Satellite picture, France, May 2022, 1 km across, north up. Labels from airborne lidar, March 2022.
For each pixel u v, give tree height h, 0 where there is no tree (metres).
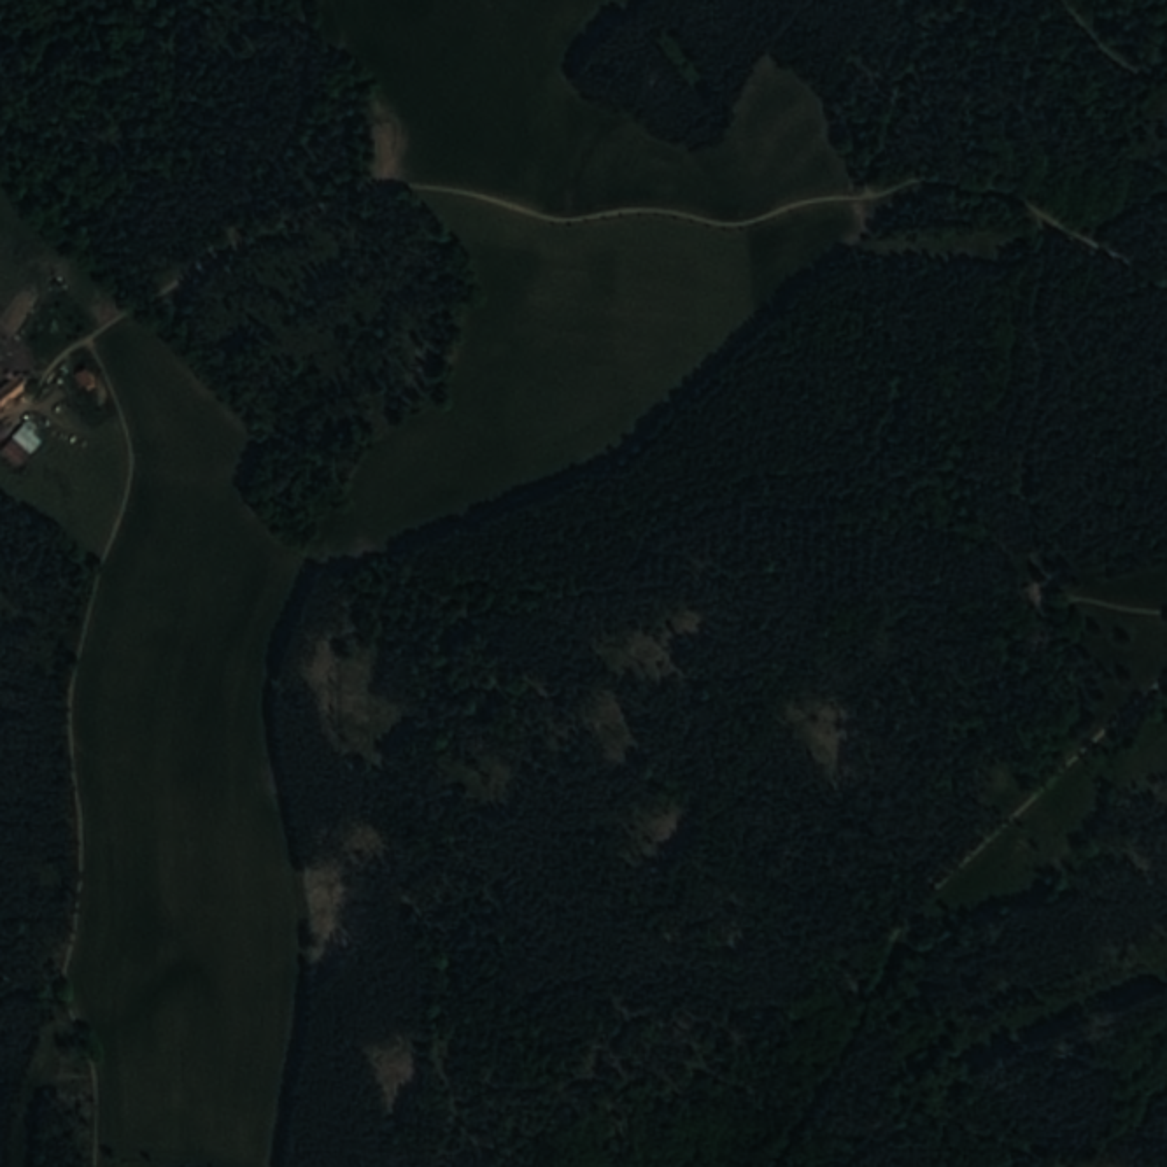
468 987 25
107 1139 0
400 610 18
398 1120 13
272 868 0
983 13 16
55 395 0
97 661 0
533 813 27
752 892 25
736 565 24
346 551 0
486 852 24
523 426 0
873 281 25
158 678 0
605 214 0
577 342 0
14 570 30
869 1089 27
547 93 0
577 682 26
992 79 24
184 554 0
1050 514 26
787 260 0
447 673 26
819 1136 24
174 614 0
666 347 0
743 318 0
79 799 0
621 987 22
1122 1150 30
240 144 28
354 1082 21
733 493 22
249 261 23
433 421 0
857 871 21
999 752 25
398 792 23
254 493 24
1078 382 22
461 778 0
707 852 28
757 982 27
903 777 24
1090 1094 26
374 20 0
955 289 24
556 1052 19
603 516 22
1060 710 23
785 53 23
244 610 0
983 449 23
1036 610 15
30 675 25
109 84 32
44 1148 18
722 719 22
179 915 0
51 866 21
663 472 26
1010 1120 18
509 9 0
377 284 25
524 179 0
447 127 0
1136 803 23
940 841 22
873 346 22
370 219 22
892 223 14
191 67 28
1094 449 24
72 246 23
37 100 29
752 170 0
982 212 23
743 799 22
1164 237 24
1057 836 0
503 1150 12
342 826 25
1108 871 26
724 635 25
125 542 0
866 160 8
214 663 0
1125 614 0
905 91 19
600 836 22
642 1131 12
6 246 0
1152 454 22
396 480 0
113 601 0
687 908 26
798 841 17
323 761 24
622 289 0
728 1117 15
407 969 22
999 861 0
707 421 23
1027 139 18
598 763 21
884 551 26
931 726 29
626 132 0
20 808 25
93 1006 0
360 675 0
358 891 24
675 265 0
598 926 23
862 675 20
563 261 0
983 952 32
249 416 21
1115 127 21
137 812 0
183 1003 0
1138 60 15
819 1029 20
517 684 26
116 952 0
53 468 0
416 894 22
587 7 0
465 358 0
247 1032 0
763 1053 23
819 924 27
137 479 0
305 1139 23
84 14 8
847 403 24
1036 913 29
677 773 19
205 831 0
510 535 25
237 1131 0
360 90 24
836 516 22
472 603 18
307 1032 23
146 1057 0
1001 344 18
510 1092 13
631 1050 22
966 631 22
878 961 19
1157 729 0
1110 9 36
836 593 28
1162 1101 27
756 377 26
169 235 25
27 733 27
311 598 23
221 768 0
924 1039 10
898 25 18
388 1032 20
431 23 0
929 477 21
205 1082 0
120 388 0
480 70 0
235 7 27
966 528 23
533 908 27
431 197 0
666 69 30
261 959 0
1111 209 15
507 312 0
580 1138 14
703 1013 22
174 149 28
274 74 26
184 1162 0
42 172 25
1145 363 27
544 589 20
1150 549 21
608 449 0
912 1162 27
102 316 0
